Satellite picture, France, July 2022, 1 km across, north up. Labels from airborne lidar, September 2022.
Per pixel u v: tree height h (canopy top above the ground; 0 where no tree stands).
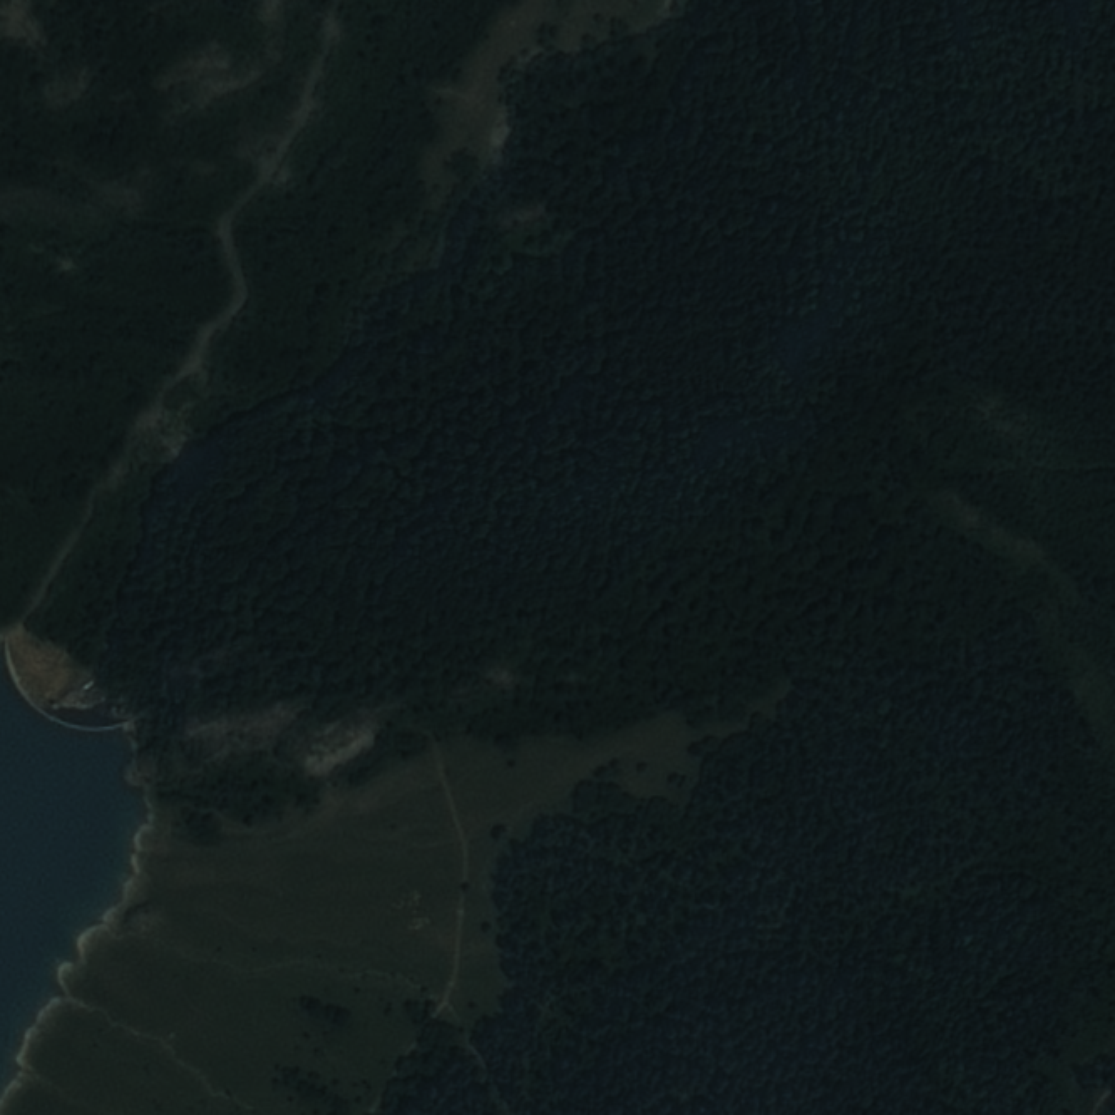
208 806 7
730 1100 32
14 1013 0
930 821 16
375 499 30
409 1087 9
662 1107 35
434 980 0
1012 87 10
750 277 28
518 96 10
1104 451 7
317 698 9
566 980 14
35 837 0
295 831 0
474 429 23
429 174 0
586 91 8
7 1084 0
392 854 0
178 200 6
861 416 20
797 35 21
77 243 10
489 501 29
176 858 0
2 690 0
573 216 19
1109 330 8
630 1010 21
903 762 8
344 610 23
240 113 7
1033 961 14
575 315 24
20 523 9
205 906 0
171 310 13
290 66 6
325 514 34
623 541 25
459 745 0
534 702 14
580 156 18
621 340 26
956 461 13
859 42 22
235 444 38
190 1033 0
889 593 6
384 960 0
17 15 0
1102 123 19
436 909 0
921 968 28
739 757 14
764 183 27
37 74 11
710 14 29
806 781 18
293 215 7
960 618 9
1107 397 13
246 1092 0
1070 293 20
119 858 0
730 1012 35
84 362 6
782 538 25
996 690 15
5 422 8
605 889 7
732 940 25
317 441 32
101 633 15
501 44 0
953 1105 9
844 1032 27
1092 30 17
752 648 16
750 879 32
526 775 0
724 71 28
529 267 26
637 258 27
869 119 24
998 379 17
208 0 8
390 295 18
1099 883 7
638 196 29
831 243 26
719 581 22
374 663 9
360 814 0
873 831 21
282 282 9
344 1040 0
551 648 22
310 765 0
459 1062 18
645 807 6
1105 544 8
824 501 20
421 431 28
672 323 28
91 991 0
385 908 0
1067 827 7
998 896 13
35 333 6
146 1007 0
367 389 25
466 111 0
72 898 0
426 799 0
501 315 16
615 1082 23
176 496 24
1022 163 12
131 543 14
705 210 20
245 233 6
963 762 18
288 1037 0
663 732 0
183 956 0
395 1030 0
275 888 0
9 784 0
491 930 8
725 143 29
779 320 27
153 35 9
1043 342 16
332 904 0
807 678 19
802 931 18
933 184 21
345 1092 0
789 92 27
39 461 9
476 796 0
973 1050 17
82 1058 0
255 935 0
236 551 21
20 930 0
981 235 16
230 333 6
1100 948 9
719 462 17
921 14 28
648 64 14
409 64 9
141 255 7
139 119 10
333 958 0
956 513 0
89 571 10
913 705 19
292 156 6
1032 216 17
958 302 22
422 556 29
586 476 34
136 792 0
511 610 19
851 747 18
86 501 9
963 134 21
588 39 7
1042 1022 16
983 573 8
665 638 8
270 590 23
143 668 7
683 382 30
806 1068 29
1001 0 22
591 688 17
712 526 12
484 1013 0
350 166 9
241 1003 0
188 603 20
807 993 30
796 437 17
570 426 30
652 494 25
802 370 26
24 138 10
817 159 29
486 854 0
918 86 22
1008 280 14
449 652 15
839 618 14
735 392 23
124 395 9
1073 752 17
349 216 14
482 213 19
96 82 10
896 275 23
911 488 11
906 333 18
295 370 11
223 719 0
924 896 9
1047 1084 11
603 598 24
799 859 26
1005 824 8
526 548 27
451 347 28
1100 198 15
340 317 9
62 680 0
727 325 27
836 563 19
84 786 0
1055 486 6
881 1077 20
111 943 0
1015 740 20
